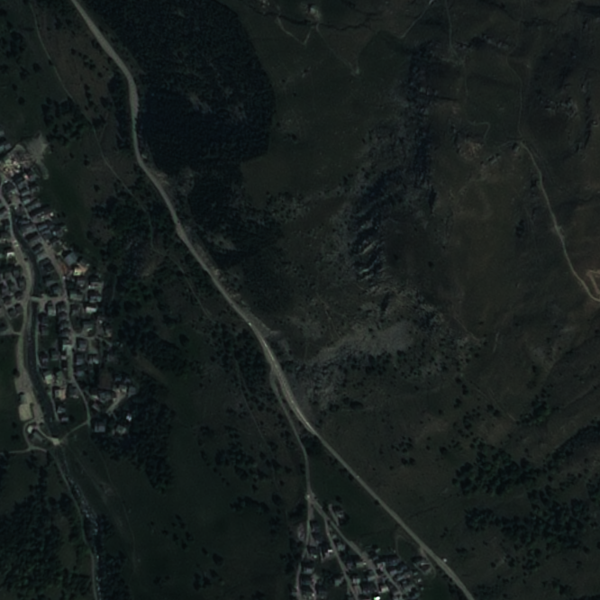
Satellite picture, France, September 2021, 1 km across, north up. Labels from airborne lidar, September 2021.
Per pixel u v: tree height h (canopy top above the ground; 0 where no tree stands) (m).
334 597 0
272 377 0
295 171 0
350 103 0
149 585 0
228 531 0
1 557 9
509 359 0
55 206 0
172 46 14
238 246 11
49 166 0
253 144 10
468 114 0
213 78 8
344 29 0
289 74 0
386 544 0
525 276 0
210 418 0
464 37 0
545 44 0
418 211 0
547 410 12
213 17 12
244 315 0
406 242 0
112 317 11
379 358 6
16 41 14
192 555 0
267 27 0
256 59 9
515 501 0
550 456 8
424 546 0
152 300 14
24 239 0
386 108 0
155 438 17
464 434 7
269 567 0
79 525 13
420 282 0
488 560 0
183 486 0
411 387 0
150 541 0
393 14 0
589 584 0
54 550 17
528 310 0
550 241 0
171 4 13
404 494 0
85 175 0
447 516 0
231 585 0
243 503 9
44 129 0
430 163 0
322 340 0
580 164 0
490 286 0
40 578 15
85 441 0
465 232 0
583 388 0
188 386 0
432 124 0
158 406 11
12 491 0
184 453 0
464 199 0
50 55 0
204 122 11
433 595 0
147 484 0
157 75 11
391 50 0
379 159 0
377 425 0
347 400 7
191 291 6
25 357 0
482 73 0
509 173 0
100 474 0
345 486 0
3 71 6
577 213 0
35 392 0
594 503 10
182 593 0
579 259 0
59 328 8
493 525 7
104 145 0
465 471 12
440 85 0
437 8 0
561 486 8
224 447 0
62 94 0
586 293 0
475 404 0
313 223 0
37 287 0
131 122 7
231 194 7
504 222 0
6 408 0
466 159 0
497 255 0
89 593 10
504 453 12
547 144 0
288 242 0
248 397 7
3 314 0
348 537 0
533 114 0
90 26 0
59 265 0
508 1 0
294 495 0
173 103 11
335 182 0
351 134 0
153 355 13
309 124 0
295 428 0
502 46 0
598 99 0
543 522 10
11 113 0
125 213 13
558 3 0
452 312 0
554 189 0
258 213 7
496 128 0
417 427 0
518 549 9
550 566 0
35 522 11
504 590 0
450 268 0
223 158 12
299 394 0
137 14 12
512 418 0
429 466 0
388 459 0
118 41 8
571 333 0
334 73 0
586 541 0
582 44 0
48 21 0
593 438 6
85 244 0
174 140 11
